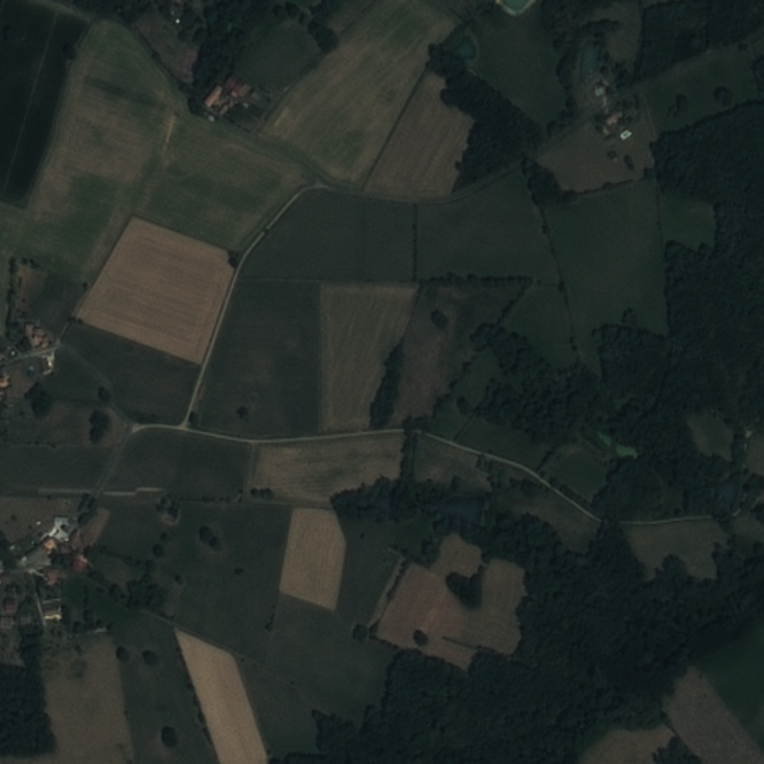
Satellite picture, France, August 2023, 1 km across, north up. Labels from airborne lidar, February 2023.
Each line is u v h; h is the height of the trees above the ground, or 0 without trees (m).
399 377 12
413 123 0
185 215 0
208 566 0
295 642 0
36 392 14
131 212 0
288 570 0
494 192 0
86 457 0
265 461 0
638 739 0
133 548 0
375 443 0
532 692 26
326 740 19
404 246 0
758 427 19
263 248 0
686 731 0
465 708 21
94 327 0
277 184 0
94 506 13
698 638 27
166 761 0
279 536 0
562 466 0
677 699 0
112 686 0
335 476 0
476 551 0
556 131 17
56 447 8
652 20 13
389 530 0
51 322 0
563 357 0
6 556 0
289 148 0
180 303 0
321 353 0
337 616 0
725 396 21
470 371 11
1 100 0
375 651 0
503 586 0
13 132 0
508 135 22
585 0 22
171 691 0
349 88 0
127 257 0
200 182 0
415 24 0
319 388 0
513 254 0
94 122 0
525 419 23
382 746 28
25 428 0
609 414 20
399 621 0
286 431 0
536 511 0
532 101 0
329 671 0
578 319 0
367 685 0
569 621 27
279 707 0
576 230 0
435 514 7
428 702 24
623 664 29
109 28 0
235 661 0
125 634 0
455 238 0
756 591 24
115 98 0
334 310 0
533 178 12
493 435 0
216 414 0
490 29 0
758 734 0
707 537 0
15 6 0
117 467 0
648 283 0
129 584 0
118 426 0
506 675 23
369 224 0
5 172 0
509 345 27
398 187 0
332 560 0
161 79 0
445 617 0
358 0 0
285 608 0
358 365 0
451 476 0
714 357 25
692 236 0
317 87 0
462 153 0
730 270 23
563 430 21
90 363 0
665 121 0
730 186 23
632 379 24
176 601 0
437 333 0
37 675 17
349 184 0
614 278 0
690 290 20
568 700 28
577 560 19
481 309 0
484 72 0
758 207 23
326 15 19
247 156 0
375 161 0
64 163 0
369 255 0
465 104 17
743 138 20
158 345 0
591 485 0
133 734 0
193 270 0
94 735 0
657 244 0
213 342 0
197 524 0
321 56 0
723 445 0
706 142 19
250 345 0
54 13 0
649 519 13
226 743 0
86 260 0
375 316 0
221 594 0
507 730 24
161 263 0
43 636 7
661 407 23
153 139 0
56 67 0
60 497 0
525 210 0
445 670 24
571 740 21
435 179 0
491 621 0
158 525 0
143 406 0
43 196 0
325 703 0
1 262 0
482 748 26
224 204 0
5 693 21
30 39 0
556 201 12
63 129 0
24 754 19
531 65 0
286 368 0
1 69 0
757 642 0
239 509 0
